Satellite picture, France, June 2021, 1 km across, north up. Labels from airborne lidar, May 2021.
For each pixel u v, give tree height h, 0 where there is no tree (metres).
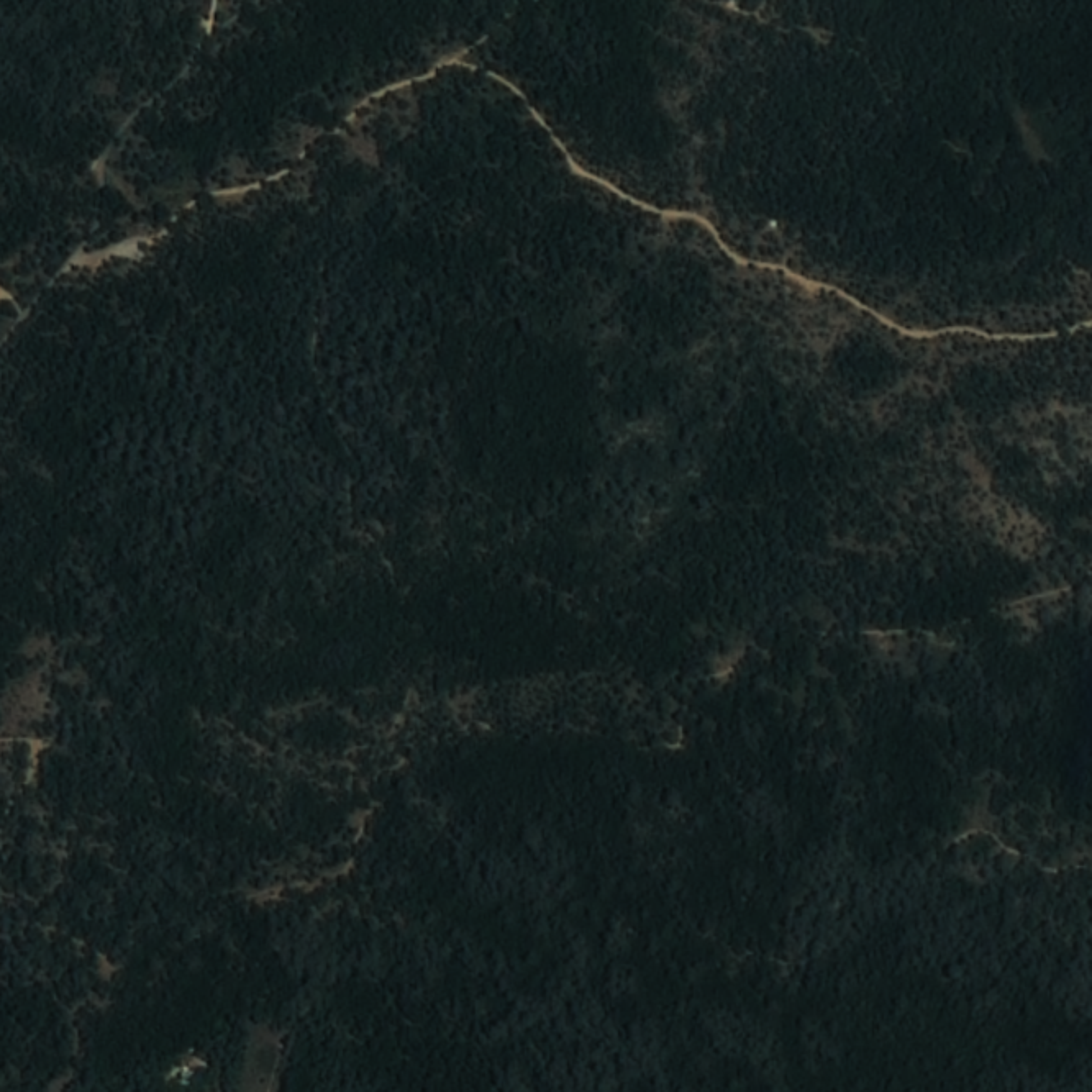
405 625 9
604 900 12
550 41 15
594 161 10
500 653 12
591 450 9
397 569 7
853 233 15
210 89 11
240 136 16
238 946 9
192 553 6
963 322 11
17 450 7
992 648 9
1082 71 16
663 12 10
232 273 12
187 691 9
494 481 7
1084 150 8
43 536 10
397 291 16
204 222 8
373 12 10
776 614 10
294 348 12
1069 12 13
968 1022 9
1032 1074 13
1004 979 18
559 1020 21
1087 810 11
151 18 15
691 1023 12
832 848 18
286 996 14
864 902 20
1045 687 11
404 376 8
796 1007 9
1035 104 14
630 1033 19
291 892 12
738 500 12
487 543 9
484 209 9
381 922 9
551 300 7
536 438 16
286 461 14
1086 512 7
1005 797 9
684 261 7
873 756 10
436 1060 13
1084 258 14
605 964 8
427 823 6
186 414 13
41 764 11
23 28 23
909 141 15
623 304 8
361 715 9
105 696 7
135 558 8
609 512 12
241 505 9
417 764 10
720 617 12
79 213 6
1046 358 9
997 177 14
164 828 10
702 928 13
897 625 7
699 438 15
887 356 9
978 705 16
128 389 17
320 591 15
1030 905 10
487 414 8
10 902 13
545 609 11
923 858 20
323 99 9
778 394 9
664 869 9
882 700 10
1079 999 19
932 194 14
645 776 9
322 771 10
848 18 12
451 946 8
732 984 11
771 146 14
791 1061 15
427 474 8
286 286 12
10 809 6
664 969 10
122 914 17
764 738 12
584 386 11
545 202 8
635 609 8
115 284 9
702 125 8
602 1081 20
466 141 15
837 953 14
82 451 10
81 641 7
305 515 11
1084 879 14
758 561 13
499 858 18
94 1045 11
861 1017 7
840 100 11
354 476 15
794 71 7
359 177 12
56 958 12
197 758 10
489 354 7
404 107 10
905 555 10
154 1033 10
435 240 12
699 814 11
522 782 8
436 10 17
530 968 12
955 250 13
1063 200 11
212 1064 16
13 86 20
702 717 8
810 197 14
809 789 11
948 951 20
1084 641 15
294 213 9
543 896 16
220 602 10
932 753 14
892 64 12
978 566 7
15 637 12
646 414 14
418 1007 12
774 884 12
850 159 13
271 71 13
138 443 16
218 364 7
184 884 15
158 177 10
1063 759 12
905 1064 15
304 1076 18
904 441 9
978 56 11
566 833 12
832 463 9
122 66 10
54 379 18
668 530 8
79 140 7
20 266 8
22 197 11
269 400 12
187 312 9
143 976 9
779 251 7
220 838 8
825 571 6
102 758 15
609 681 9
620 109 10
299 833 10
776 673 11
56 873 12
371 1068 16
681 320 8
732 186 8
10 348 9
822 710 9
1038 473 6
